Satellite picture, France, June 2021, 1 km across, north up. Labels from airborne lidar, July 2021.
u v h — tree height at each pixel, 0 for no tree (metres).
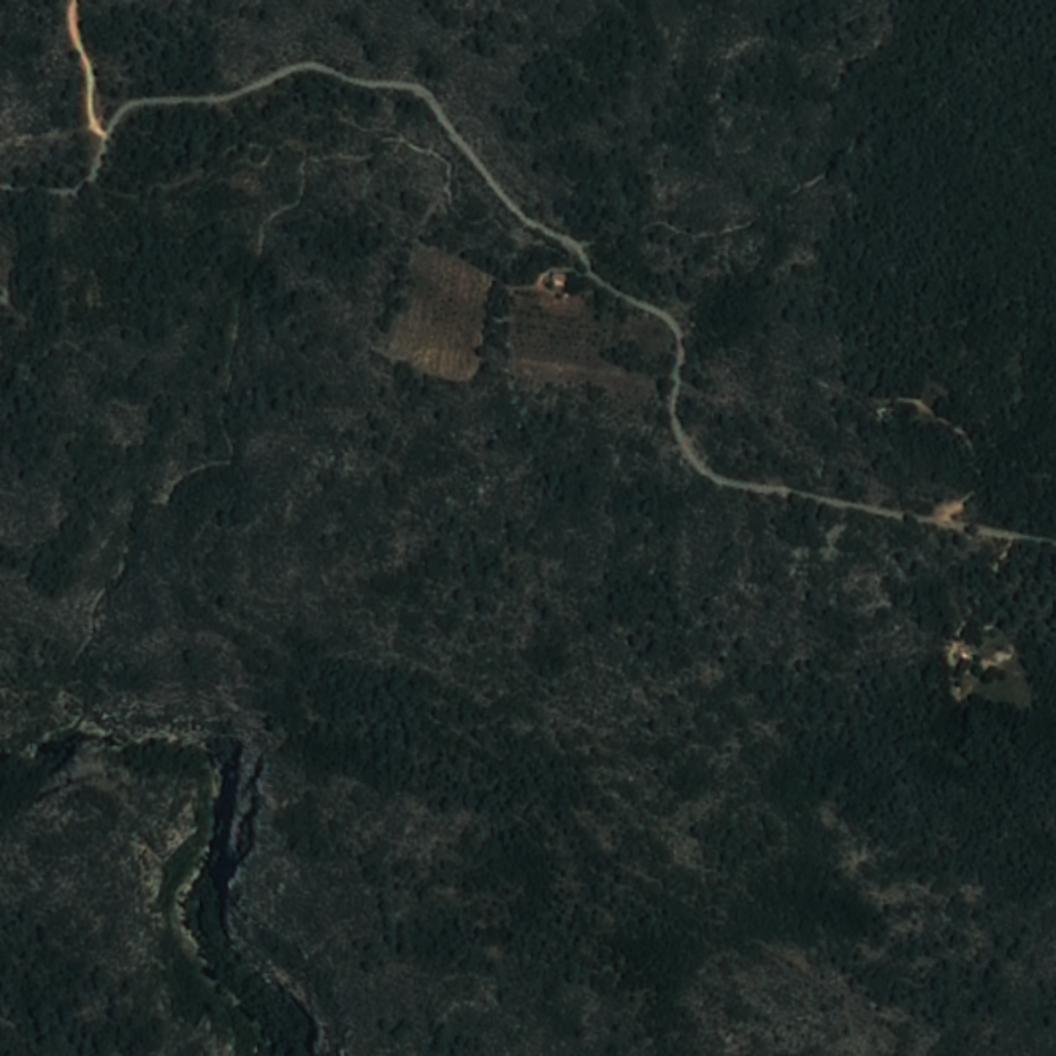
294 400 10
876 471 10
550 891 7
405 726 16
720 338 6
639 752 6
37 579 15
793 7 7
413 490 0
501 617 0
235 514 9
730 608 0
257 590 0
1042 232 7
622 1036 14
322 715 7
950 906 6
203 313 12
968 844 10
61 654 13
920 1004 11
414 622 6
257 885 0
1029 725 12
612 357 11
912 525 10
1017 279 8
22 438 6
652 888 7
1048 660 17
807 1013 0
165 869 15
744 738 6
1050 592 18
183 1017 18
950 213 8
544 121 14
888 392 12
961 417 6
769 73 7
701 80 5
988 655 0
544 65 14
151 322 12
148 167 8
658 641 12
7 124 0
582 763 7
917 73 5
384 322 9
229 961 12
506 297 10
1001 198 7
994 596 17
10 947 7
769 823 14
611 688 0
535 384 0
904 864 7
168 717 8
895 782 10
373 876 15
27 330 6
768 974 0
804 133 7
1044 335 7
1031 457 9
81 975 12
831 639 6
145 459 7
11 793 9
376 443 10
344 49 0
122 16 14
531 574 0
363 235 9
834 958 6
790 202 6
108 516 9
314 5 0
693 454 0
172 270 7
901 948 13
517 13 0
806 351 8
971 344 6
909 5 7
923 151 9
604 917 8
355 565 0
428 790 13
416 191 0
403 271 14
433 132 0
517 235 0
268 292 14
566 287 11
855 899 6
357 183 0
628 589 16
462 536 8
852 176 13
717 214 0
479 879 7
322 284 0
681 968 7
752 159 0
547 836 12
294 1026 12
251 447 0
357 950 9
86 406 0
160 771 12
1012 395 14
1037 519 11
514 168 0
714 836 7
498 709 6
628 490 7
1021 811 12
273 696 6
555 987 6
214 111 11
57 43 0
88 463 8
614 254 7
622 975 7
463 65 0
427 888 7
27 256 6
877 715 9
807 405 9
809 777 6
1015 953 18
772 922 7
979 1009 18
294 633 6
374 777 7
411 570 6
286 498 0
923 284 6
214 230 17
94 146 0
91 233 5
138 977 8
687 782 7
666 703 7
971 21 8
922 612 13
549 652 8
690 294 11
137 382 9
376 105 13
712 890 6
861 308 8
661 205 0
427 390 10
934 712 16
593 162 13
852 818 6
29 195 13
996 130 10
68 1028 13
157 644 0
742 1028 0
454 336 0
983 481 10
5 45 11
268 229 0
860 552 6
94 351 10
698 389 12
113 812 6
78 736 10
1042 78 7
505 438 6
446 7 13
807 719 8
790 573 0
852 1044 0
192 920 12
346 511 6
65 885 0
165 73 12
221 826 14
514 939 19
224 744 12
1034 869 13
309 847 7
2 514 0
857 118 7
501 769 6
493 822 7
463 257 11
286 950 6
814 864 6
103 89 8
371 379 0
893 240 15
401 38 0
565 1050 0
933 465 6
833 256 8
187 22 10
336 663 10
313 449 0
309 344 7
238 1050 11
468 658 6
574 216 13
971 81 7
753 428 5
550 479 14
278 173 8
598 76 6
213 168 16
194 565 7
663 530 12
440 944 9
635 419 0
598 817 9
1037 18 15
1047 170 7
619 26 7
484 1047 11
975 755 19
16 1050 11
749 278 6
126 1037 11
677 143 17
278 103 12
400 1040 9
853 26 14
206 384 8
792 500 13
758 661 9
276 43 0
